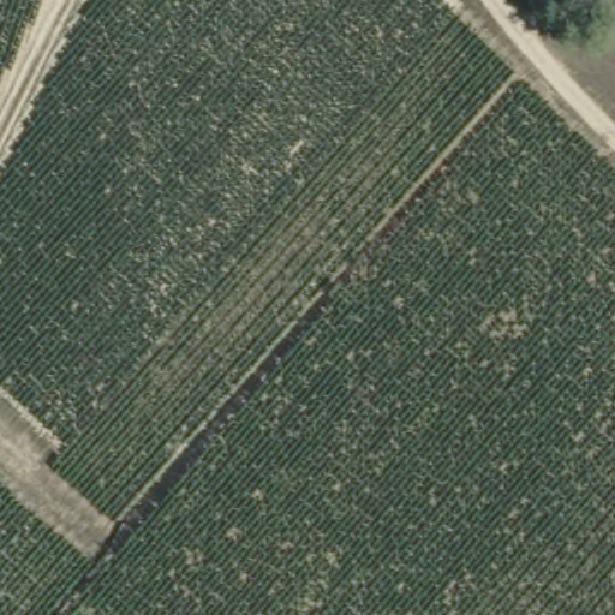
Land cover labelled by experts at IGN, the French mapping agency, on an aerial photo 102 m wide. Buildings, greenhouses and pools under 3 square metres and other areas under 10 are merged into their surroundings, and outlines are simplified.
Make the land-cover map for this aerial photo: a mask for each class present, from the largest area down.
<instances>
[{"label":"vineyard","instance_id":"1","mask_svg":"<svg viewBox=\"0 0 615 615\"><path fill-rule=\"evenodd\" d=\"M41 0H0V77L12 65L22 41V31L26 29V24L34 22ZM0 384L60 437V447L46 456L48 468L65 478L72 488H77L113 524V531L106 536L98 550L91 557H84L48 524H43L31 509L22 507L14 500V495L0 483V615H615V166L605 156H598L596 149L579 132H572L560 115L550 111V106L541 98L538 91H533L526 82H517L509 65L500 55H495L442 0H86L79 7V22L67 31V43L58 53L55 67L43 79V89L34 101L31 115L24 120L22 135L12 144L10 159L0 168Z\"/></svg>","mask_w":615,"mask_h":615},{"label":"herbaceous vegetation","instance_id":"2","mask_svg":"<svg viewBox=\"0 0 615 615\"><path fill-rule=\"evenodd\" d=\"M86 0H41L34 22L26 24V29L22 31V41L12 65L0 77V168L10 159L12 144L22 135L24 120L31 115L34 101L43 89V79L55 67L58 53L67 43V31L79 22V7ZM495 55H500L509 65L517 82H526L533 91H538L541 98L550 106V111L560 115L572 132H579L596 149L598 156H605L615 166V151L605 142V137L591 130V125L533 67V62L502 31V26L495 22V17L480 0H442ZM517 10V17L524 22L533 12H545L550 0H507ZM553 55L567 67L569 77L615 123V53L608 58H593L579 53L577 43L543 38ZM60 447V437L0 384V483L14 495V500L22 507L31 509L43 524H48L84 557H91L98 550L106 536L113 531V524L77 488H72L65 478L48 468L46 456Z\"/></svg>","mask_w":615,"mask_h":615},{"label":"pervious surface","instance_id":"3","mask_svg":"<svg viewBox=\"0 0 615 615\"><path fill-rule=\"evenodd\" d=\"M495 17V22L502 26V31L533 62V67L591 125V130L605 137V142L615 151V123L569 77L567 67L553 55L543 38L536 31H529L524 22L517 17V10L507 0H480Z\"/></svg>","mask_w":615,"mask_h":615},{"label":"coniferous trees","instance_id":"4","mask_svg":"<svg viewBox=\"0 0 615 615\"><path fill-rule=\"evenodd\" d=\"M529 31H536L543 38L577 43L579 53L593 58H608L615 53V0H550L545 12H533L524 22Z\"/></svg>","mask_w":615,"mask_h":615}]
</instances>
